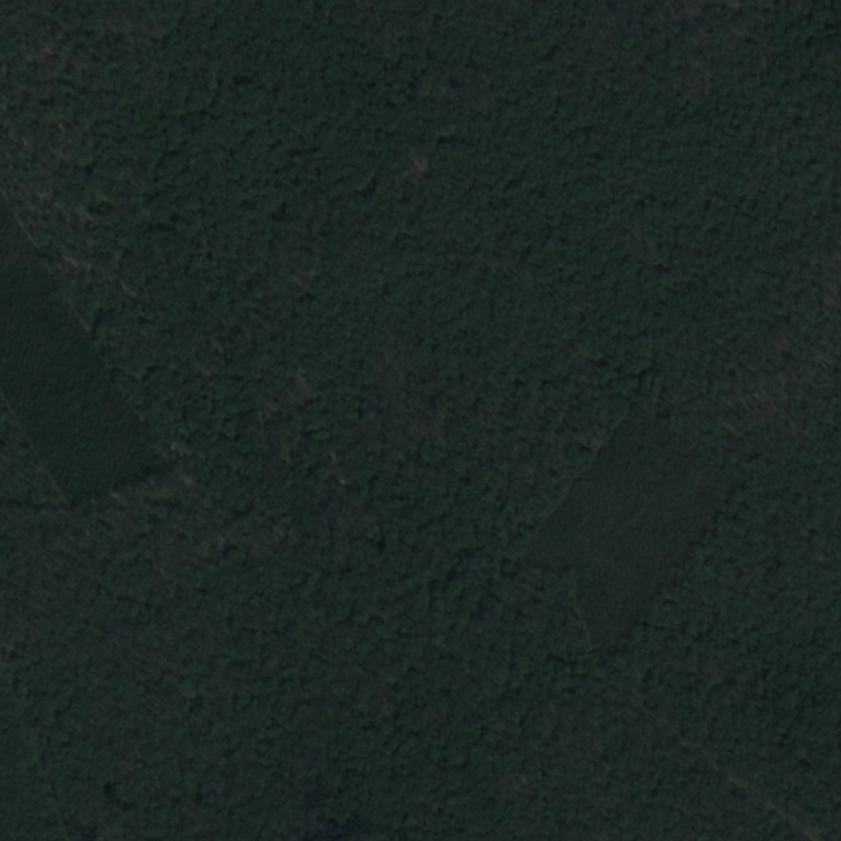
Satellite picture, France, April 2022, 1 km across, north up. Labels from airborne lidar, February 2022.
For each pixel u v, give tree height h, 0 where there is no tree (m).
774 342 27
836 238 27
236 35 27
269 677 25
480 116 24
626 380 24
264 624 28
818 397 30
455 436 27
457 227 25
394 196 25
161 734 28
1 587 24
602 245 21
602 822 26
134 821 27
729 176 24
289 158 23
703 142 27
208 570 29
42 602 28
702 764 25
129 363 24
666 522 12
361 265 29
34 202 28
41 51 27
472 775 22
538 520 27
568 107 21
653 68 27
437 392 28
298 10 24
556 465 26
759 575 28
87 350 9
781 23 21
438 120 23
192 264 30
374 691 28
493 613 28
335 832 23
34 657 24
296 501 25
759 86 27
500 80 25
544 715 28
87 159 29
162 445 27
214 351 26
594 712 30
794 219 28
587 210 26
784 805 25
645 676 28
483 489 24
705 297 26
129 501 29
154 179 30
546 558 15
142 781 25
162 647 31
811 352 31
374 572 28
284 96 28
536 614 30
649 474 14
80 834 15
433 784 24
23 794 23
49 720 22
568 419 28
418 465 27
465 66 23
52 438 7
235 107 24
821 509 26
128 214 28
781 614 24
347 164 26
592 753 31
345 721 28
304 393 29
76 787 23
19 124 29
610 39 25
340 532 26
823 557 28
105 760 28
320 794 23
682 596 29
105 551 30
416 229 26
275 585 26
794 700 30
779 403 30
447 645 31
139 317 27
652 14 23
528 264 24
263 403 27
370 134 19
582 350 27
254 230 24
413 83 20
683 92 21
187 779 26
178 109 21
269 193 27
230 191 20
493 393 25
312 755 29
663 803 24
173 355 28
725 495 14
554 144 24
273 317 25
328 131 22
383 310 24
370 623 30
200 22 28
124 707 26
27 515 26
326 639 27
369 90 24
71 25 25
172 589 28
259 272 28
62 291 24
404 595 31
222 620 29
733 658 27
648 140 28
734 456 24
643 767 28
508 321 29
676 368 29
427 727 28
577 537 14
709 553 27
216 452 27
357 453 26
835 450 28
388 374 30
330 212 24
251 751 27
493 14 27
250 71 23
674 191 24
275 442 28
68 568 29
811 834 29
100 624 28
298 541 24
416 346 25
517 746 30
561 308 27
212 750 27
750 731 24
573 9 24
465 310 23
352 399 21
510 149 24
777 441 28
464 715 31
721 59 26
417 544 31
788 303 30
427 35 26
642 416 12
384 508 25
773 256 26
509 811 26
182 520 26
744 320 29
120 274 25
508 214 22
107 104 27
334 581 25
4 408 24
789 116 27
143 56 25
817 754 25
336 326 22
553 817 25
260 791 30
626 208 24
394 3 26
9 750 23
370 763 28
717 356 26
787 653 24
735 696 27
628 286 23
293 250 25
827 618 25
